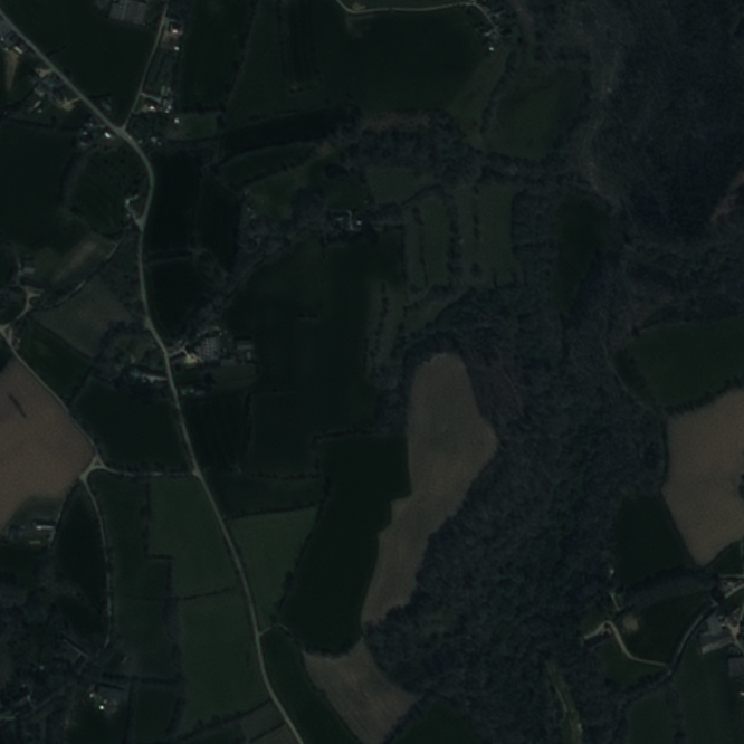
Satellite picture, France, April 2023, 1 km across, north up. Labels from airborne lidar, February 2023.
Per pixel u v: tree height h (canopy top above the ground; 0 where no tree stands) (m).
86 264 0
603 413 26
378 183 0
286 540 0
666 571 0
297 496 0
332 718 0
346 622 0
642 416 6
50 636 0
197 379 0
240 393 0
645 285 19
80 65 0
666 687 12
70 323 0
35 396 0
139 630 0
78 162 14
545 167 13
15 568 0
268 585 0
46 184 0
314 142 8
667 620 0
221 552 0
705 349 0
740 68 16
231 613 0
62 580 14
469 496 8
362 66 0
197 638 0
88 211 0
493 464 8
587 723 19
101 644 0
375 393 0
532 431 23
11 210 0
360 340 0
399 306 0
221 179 19
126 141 0
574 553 26
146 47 0
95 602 0
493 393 9
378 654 20
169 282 0
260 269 0
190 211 0
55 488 0
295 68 0
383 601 0
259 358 0
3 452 0
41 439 0
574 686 17
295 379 0
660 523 0
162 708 0
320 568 0
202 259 9
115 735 0
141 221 0
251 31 9
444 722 0
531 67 0
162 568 0
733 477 0
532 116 0
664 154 22
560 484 20
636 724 0
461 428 0
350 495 0
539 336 9
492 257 0
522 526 23
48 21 0
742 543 0
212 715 0
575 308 0
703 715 0
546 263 12
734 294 14
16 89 0
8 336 0
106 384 11
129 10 0
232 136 0
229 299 10
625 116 27
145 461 0
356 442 0
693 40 21
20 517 0
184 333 8
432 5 0
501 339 27
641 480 20
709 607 8
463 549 27
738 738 0
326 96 0
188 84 0
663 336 0
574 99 0
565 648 21
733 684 0
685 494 0
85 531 0
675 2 22
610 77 0
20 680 9
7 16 0
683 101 20
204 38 0
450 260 11
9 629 11
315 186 0
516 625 9
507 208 0
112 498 0
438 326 8
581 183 19
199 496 0
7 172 0
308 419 0
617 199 0
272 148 7
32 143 0
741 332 0
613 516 7
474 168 23
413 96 0
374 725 0
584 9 0
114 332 12
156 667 0
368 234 21
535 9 19
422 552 0
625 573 0
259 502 0
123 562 0
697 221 16
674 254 10
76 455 0
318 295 0
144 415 0
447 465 0
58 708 17
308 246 0
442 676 21
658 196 21
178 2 8
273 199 0
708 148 17
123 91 0
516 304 11
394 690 0
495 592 11
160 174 0
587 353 20
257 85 0
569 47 0
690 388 0
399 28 0
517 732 23
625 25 0
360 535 0
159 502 0
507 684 11
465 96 0
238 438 0
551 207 14
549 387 21
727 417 0
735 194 11
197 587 0
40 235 0
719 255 15
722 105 19
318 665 0
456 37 0
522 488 22
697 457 0
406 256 17
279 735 0
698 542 0
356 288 0
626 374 0
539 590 19
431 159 17
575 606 26
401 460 0
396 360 13
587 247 0
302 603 0
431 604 28
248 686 0
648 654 0
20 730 15
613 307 23
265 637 0
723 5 19
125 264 0
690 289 19
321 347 0
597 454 20
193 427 0
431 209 0
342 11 0
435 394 0
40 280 0
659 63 24
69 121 0
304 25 0
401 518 0
